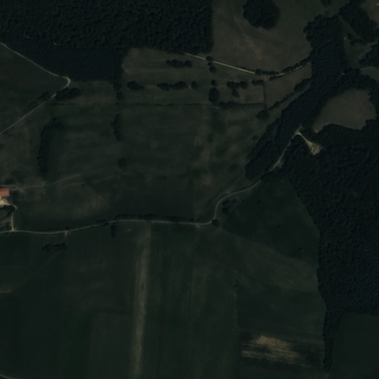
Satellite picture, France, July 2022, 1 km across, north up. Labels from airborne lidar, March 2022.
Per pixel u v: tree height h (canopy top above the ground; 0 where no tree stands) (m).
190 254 0
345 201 27
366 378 0
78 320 0
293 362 0
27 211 0
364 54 0
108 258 0
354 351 0
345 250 19
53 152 0
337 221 21
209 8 18
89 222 0
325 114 0
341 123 0
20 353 0
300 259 0
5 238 0
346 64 23
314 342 0
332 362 9
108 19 26
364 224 29
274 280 0
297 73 0
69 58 14
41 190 0
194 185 0
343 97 0
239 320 0
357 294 24
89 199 0
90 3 19
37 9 18
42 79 0
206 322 0
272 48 0
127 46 14
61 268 0
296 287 0
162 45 26
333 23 27
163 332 0
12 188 0
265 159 19
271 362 0
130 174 0
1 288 0
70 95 17
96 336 0
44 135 12
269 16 27
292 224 0
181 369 0
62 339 0
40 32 20
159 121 0
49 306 0
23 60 0
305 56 0
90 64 17
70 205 0
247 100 0
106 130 0
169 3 24
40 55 14
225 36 0
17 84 0
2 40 8
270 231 0
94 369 0
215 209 0
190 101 0
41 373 0
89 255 0
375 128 15
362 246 26
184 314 0
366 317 0
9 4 18
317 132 0
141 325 0
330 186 28
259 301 0
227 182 0
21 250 0
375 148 25
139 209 0
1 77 0
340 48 23
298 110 26
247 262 0
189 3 27
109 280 0
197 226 0
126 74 0
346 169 35
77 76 17
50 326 0
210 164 0
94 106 0
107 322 0
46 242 0
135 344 0
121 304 0
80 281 0
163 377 0
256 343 0
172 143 0
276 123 11
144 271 0
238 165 0
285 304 0
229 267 0
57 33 28
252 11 26
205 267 0
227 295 0
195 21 23
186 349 0
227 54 0
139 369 0
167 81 0
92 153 0
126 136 0
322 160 14
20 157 0
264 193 0
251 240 0
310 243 0
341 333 0
